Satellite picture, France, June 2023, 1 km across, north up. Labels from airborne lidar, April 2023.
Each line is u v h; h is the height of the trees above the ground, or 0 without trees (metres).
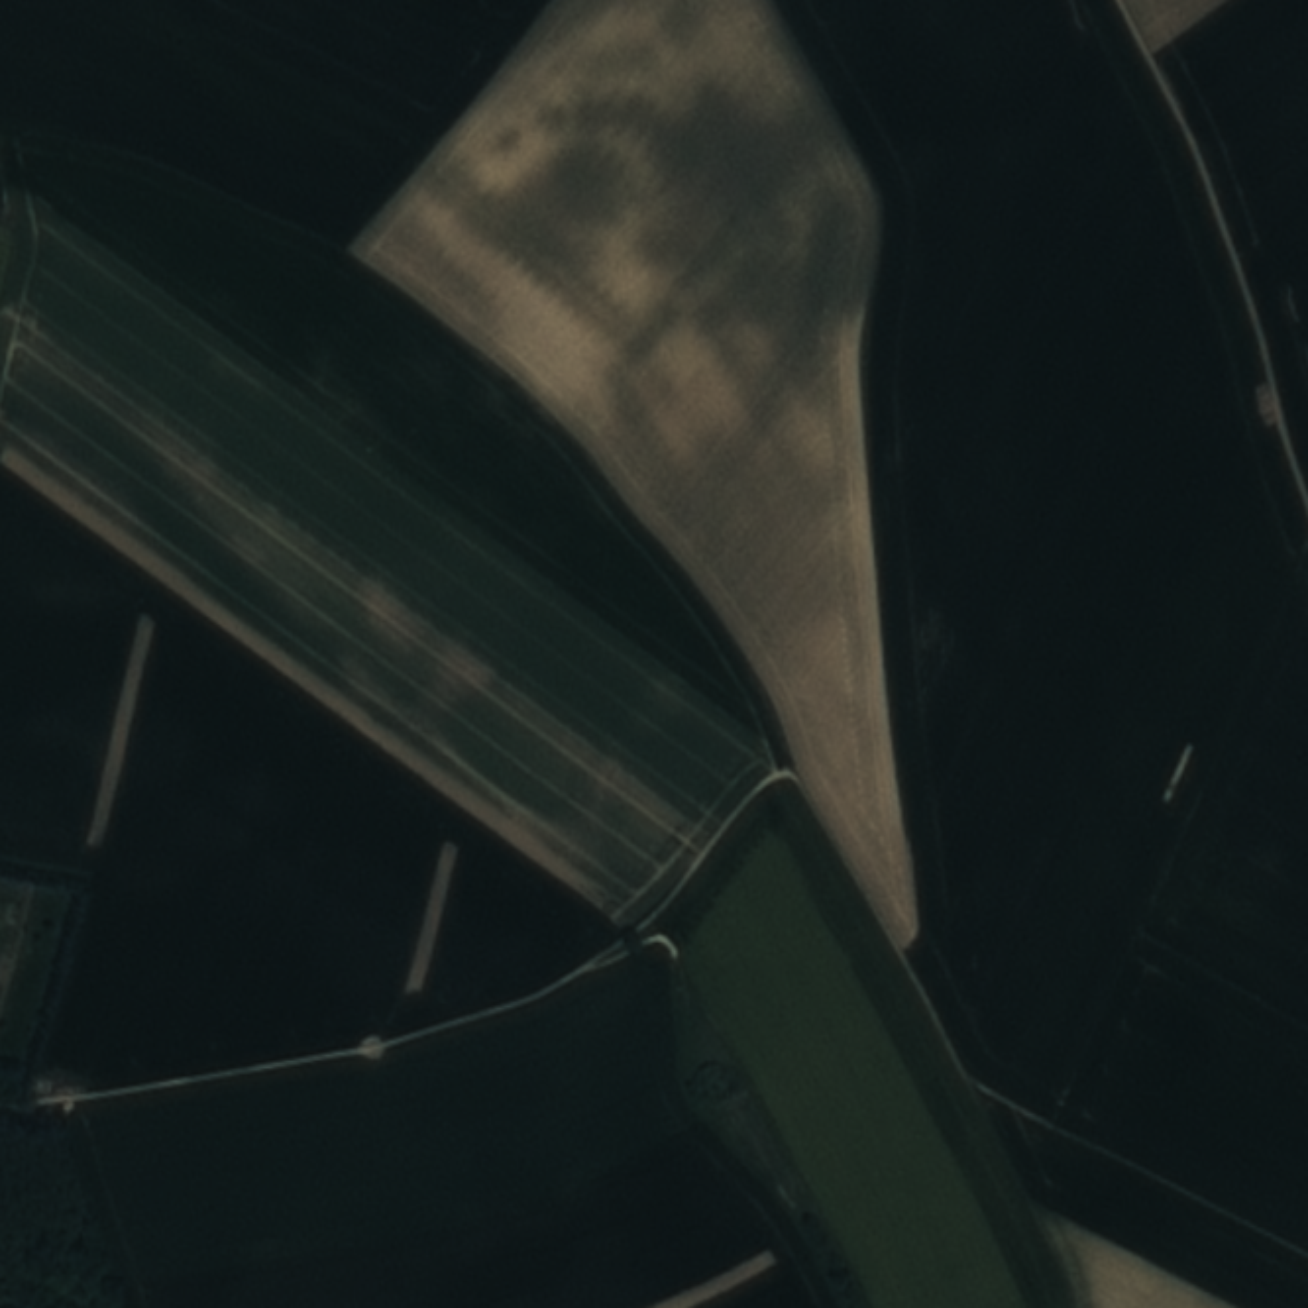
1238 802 0
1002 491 0
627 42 0
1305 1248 0
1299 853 0
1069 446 0
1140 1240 0
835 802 0
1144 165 0
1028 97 0
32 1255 18
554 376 0
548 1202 0
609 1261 0
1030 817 0
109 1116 0
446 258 0
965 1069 0
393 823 0
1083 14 0
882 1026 0
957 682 0
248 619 0
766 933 0
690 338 0
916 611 0
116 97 0
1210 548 0
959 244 0
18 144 0
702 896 0
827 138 0
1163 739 0
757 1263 0
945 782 0
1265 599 0
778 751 0
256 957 0
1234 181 0
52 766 0
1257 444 0
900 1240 0
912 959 0
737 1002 0
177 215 0
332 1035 0
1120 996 0
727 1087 6
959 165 0
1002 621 0
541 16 0
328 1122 0
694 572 0
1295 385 0
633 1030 0
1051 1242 0
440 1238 0
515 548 0
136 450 0
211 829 0
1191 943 0
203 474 0
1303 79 0
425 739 0
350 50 0
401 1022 0
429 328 0
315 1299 0
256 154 0
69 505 0
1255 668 0
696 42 0
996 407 0
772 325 0
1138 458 0
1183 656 0
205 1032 0
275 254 0
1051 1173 0
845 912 0
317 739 0
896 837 0
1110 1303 0
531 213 0
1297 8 0
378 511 0
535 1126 0
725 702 0
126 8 0
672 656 0
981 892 0
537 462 0
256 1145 0
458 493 0
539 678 0
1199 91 0
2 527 0
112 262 0
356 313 0
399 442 0
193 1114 0
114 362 0
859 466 0
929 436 0
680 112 0
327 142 0
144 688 0
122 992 0
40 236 0
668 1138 0
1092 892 0
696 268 0
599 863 0
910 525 0
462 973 0
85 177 0
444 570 0
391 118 0
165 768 0
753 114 0
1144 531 0
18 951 0
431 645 0
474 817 0
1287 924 0
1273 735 0
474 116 0
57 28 0
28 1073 11
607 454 0
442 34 0
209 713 0
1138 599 0
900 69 0
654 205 0
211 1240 0
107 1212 0
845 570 0
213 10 0
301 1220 0
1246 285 0
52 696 0
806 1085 0
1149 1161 0
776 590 0
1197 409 0
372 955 0
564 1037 0
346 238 0
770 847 0
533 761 0
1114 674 0
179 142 0
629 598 0
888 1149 0
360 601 0
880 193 0
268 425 0
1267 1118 0
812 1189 0
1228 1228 0
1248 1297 0
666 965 0
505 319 0
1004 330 0
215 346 0
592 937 0
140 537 0
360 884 0
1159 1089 0
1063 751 0
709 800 0
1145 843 0
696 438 0
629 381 0
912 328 0
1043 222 0
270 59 0
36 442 0
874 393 0
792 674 0
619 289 0
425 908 0
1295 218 0
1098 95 0
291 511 0
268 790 0
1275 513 0
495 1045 0
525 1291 0
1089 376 0
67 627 0
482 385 0
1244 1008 0
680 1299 0
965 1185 0
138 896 0
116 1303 10
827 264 0
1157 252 0
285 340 0
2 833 0
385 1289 0
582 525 0
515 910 0
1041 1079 0
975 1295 0
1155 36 0
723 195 0
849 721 0
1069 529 0
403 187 0
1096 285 0
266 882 0
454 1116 0
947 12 0
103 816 0
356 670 0
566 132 0
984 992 0
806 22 0
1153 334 0
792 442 0
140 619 0
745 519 0
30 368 0
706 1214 0
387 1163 0
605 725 0
